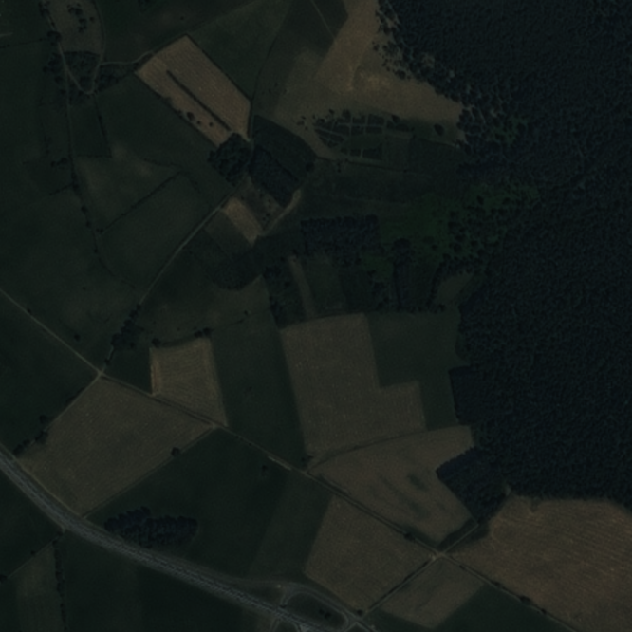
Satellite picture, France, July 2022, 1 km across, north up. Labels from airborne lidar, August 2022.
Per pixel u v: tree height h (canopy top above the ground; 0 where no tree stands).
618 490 23
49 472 0
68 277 0
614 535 0
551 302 27
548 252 22
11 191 0
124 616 0
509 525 0
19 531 0
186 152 0
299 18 0
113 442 0
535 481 26
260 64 0
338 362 0
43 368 0
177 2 0
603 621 0
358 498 0
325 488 0
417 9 18
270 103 0
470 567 0
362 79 0
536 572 0
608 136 22
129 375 0
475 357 14
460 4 10
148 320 0
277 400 0
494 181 21
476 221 6
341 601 0
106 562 0
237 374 0
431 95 0
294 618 0
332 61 0
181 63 0
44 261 0
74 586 0
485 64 16
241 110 0
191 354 0
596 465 25
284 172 24
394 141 0
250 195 0
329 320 0
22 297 0
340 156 0
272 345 0
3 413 0
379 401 0
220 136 0
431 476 0
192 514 0
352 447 0
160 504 0
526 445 22
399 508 0
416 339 0
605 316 24
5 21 0
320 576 0
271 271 21
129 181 0
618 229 23
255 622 0
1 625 0
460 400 21
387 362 0
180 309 0
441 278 14
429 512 0
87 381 0
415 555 0
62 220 0
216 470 0
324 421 0
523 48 18
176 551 0
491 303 22
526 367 20
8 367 0
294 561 0
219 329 0
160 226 0
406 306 22
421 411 0
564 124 17
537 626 0
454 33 14
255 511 0
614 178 32
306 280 0
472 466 29
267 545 0
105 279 0
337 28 0
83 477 0
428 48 16
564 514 0
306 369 0
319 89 0
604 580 0
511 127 19
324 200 0
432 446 0
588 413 19
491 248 16
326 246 12
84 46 0
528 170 17
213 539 0
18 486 0
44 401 0
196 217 0
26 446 10
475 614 0
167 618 0
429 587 0
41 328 0
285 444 0
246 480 0
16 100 0
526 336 22
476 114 20
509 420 23
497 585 9
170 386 0
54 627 0
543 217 14
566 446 21
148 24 0
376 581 0
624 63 23
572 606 0
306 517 0
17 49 0
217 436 0
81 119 0
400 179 0
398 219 0
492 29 15
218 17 0
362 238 26
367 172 0
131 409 0
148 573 0
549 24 17
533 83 9
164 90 0
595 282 20
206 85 0
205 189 0
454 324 0
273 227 0
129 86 0
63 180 0
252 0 0
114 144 0
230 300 0
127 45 0
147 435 0
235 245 0
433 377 0
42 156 0
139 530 20
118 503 0
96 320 0
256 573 0
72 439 0
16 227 0
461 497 23
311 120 0
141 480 0
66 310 0
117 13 0
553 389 21
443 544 0
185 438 0
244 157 10
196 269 0
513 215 11
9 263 0
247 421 0
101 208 0
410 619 0
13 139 0
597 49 21
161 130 0
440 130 23
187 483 0
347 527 0
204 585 0
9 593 0
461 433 0
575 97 21
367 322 0
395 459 0
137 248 0
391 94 0
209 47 0
